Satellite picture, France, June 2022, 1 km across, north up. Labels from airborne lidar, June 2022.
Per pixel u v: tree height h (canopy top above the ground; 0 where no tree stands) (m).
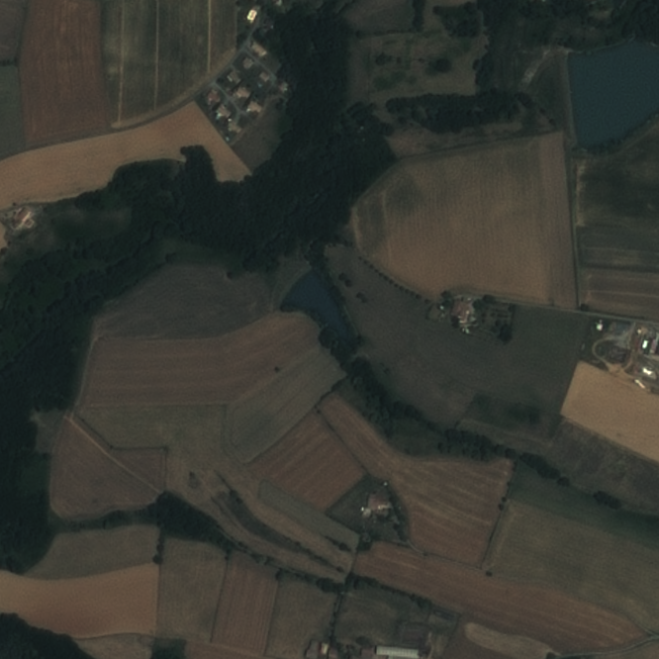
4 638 20
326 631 0
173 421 0
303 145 16
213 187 16
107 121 0
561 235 0
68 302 19
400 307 0
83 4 0
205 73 0
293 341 0
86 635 0
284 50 12
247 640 0
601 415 0
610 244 0
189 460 0
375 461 0
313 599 0
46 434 0
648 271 0
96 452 0
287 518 0
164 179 14
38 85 0
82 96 0
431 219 0
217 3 0
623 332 0
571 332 0
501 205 0
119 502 0
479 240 0
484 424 0
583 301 0
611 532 0
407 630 0
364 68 0
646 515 0
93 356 0
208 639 0
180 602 0
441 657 0
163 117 0
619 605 0
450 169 0
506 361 0
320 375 0
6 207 0
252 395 0
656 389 0
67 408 12
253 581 0
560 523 0
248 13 0
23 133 0
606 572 0
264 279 0
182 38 0
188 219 17
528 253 0
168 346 0
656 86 0
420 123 10
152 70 0
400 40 0
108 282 24
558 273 0
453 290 0
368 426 0
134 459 0
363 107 18
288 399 0
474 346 0
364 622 0
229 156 0
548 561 0
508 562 0
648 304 0
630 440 0
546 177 0
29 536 23
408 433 0
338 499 0
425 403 0
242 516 0
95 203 10
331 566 0
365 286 0
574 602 0
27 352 24
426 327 0
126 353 0
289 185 17
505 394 0
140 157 0
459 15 0
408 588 0
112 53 0
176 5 0
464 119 21
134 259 12
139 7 0
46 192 0
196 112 0
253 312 0
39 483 0
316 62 23
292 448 0
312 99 18
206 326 0
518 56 0
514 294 0
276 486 0
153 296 0
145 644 0
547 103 0
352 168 19
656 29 15
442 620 0
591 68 0
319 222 23
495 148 0
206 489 0
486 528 0
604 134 0
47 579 0
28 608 0
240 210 14
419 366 0
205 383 0
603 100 0
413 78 0
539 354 0
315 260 9
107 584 0
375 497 0
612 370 0
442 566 0
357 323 0
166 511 16
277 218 24
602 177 0
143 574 0
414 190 0
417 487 0
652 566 0
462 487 0
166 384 0
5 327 19
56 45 0
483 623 0
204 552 0
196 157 10
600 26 15
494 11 26
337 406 0
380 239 0
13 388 26
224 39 0
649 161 0
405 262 0
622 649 0
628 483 0
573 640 0
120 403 0
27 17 0
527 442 0
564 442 0
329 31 24
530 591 0
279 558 0
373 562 0
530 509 0
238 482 0
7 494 17
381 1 0
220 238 24
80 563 0
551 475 17
